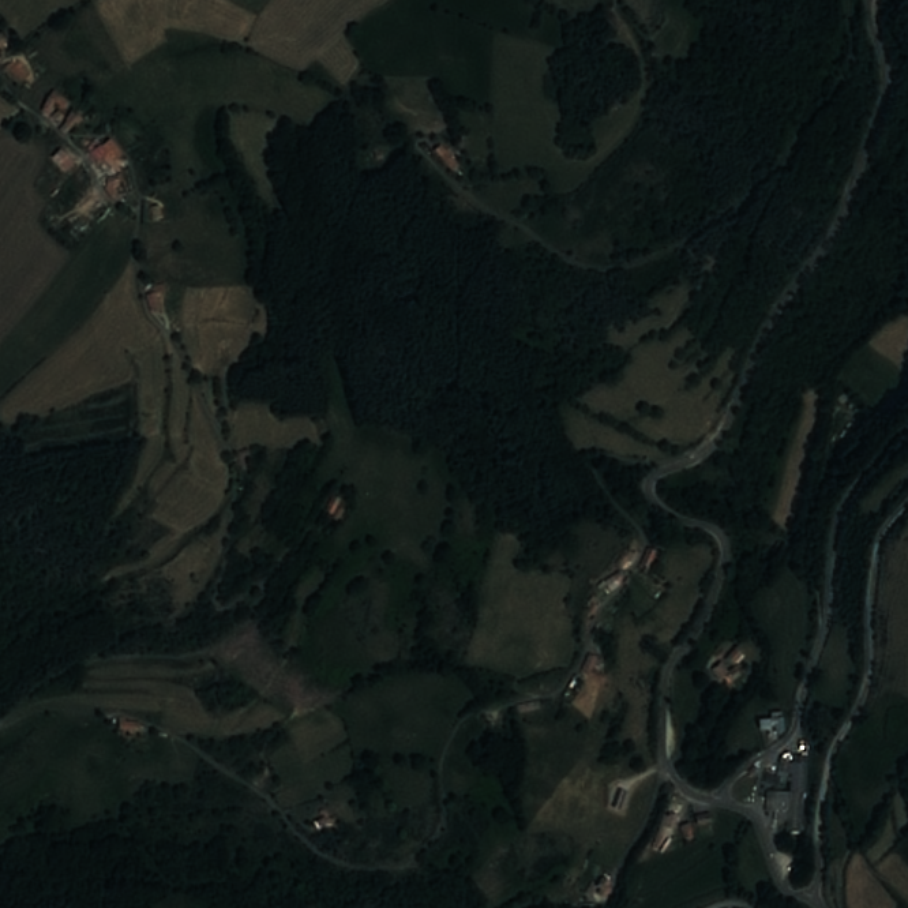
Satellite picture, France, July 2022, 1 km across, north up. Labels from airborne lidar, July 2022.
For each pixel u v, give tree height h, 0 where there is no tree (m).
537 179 13
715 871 0
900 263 12
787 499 0
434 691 0
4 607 11
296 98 0
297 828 8
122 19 0
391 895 11
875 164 19
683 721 0
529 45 0
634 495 20
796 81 12
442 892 14
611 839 0
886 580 0
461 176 6
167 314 0
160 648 9
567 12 11
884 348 0
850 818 8
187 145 0
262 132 0
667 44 0
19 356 0
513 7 0
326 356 25
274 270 16
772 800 0
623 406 0
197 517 0
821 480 14
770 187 21
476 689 19
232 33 0
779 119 22
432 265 27
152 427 0
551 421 17
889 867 0
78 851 18
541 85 0
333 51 0
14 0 0
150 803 11
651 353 0
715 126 25
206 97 0
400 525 0
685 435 0
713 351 14
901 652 0
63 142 0
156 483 0
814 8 23
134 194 0
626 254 12
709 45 14
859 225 18
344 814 0
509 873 0
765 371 17
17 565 12
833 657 0
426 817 0
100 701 0
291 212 21
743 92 18
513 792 16
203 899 18
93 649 18
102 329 0
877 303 7
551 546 13
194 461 0
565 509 20
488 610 0
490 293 22
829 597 0
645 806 0
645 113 6
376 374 32
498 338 18
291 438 0
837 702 0
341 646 0
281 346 14
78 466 15
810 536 16
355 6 0
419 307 29
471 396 25
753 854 0
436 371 31
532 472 19
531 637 0
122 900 21
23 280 0
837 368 16
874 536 7
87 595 6
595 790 0
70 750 0
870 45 15
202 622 10
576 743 0
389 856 0
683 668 9
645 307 15
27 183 0
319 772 0
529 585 0
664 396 0
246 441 0
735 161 24
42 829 11
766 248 17
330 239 25
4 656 14
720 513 7
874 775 0
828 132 14
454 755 0
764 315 15
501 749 20
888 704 0
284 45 0
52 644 17
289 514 10
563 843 0
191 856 18
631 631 0
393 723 0
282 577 17
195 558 0
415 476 0
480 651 0
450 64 0
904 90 19
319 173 18
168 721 0
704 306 6
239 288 0
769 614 0
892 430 22
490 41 0
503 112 0
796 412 11
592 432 0
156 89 0
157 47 0
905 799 13
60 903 24
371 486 0
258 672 0
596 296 17
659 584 5
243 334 0
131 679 0
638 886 0
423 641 11
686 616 0
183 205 0
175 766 0
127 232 0
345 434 0
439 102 13
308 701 0
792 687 0
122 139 0
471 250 19
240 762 6
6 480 13
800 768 0
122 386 0
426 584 13
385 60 0
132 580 8
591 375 7
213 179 10
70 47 0
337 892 15
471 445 20
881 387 0
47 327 0
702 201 9
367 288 30
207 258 0
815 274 19
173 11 0
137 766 0
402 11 0
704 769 17
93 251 0
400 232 18
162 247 0
